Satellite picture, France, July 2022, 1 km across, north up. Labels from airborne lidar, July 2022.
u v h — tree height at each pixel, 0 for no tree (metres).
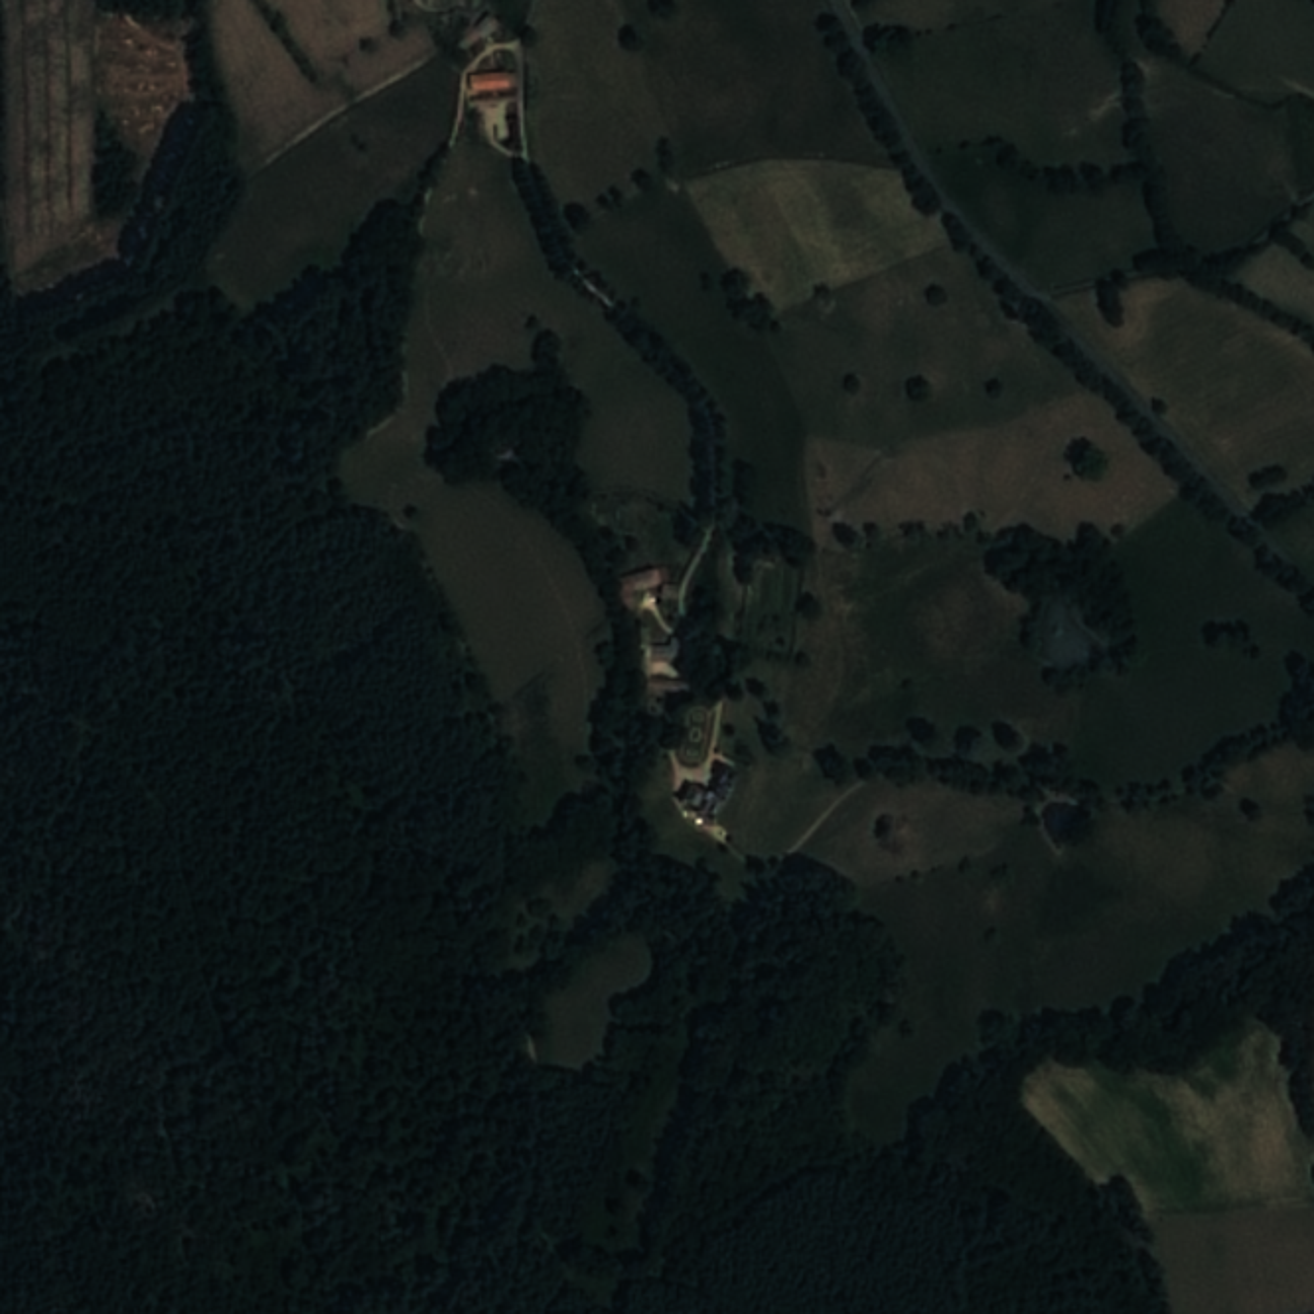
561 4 0
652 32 0
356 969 18
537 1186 34
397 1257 27
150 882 17
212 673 18
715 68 0
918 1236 28
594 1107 30
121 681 19
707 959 28
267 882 17
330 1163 18
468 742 28
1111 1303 9
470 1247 36
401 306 32
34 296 0
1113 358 0
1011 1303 19
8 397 30
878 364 0
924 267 0
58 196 0
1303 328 12
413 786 31
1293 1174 0
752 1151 14
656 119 0
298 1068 31
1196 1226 0
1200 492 22
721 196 0
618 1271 26
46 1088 18
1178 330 0
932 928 0
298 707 10
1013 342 0
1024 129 0
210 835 16
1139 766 0
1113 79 0
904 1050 0
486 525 0
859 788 0
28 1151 21
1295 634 0
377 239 22
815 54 0
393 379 24
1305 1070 18
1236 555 0
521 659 0
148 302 34
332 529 30
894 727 0
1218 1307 0
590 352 0
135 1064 10
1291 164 0
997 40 0
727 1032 26
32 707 29
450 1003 18
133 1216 14
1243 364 0
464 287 0
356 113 0
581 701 0
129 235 0
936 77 0
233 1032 24
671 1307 22
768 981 21
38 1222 30
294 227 0
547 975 22
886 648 0
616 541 19
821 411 0
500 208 0
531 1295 21
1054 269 0
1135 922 0
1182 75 0
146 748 18
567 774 0
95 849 9
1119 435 0
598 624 0
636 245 0
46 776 21
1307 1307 0
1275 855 0
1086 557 16
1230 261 16
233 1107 22
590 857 28
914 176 16
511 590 0
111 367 13
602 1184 30
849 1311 26
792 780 0
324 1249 26
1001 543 11
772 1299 23
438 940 20
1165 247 15
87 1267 16
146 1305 13
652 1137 0
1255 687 0
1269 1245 0
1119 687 0
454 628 15
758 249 0
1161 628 0
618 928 26
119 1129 12
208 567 27
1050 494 0
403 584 11
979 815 0
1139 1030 28
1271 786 0
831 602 0
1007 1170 7
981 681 0
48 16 0
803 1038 11
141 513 31
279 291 0
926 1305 26
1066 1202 6
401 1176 19
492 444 29
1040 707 0
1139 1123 0
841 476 0
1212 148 0
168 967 13
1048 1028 24
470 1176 20
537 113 0
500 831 25
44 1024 18
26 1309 32
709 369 0
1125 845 0
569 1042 0
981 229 0
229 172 35
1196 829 0
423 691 31
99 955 10
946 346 0
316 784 12
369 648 29
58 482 29
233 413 19
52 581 16
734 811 0
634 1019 21
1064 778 19
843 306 0
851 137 0
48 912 16
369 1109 25
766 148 0
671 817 0
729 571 0
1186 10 0
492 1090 11
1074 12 0
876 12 0
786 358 0
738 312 22
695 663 25
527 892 21
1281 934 28
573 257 32
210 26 13
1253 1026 0
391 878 17
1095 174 23
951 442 0
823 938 16
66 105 0
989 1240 19
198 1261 11
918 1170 23
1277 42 0
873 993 13
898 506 0
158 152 0
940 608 0
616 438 0
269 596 33
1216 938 0
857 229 0
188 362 14
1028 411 0
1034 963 0
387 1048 16
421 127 0
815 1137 14
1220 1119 0
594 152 0
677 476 0
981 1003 0
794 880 28
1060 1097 0
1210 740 0
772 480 0
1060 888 0
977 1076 25
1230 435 0
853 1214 31
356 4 0
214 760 12
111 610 19
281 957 17
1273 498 13
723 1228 15
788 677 0
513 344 0
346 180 0
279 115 0
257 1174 25
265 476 36
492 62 0
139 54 0
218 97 18
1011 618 0
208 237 33
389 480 0
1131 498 0
